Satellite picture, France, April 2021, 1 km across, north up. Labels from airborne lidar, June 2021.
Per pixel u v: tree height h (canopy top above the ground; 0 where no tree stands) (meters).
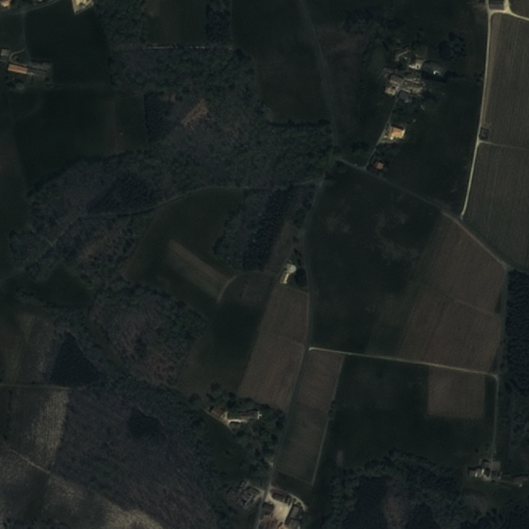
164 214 0
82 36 0
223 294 0
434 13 0
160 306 16
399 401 0
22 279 0
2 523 0
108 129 0
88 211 15
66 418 8
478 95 0
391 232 0
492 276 0
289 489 0
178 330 13
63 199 14
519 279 16
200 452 7
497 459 0
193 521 16
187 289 0
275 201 22
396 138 0
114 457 11
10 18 0
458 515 24
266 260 19
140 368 13
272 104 0
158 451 11
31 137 0
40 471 0
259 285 0
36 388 0
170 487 14
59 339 10
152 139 10
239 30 0
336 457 0
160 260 0
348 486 19
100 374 14
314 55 0
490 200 0
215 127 18
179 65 17
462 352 0
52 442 0
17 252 17
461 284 0
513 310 17
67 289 0
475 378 0
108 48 0
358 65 0
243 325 0
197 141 14
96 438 12
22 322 0
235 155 14
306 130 18
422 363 0
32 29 0
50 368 14
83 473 10
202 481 15
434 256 0
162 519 19
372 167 9
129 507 14
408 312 0
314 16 0
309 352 0
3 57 0
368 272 0
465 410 0
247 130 18
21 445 0
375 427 0
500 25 0
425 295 0
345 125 0
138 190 22
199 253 0
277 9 0
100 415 15
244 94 15
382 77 0
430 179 0
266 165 16
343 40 0
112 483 11
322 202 0
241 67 20
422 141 0
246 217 17
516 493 0
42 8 0
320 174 9
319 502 0
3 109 0
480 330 0
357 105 0
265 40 0
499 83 0
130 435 11
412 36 0
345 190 0
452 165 0
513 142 0
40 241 15
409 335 0
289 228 0
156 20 0
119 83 14
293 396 0
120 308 16
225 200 0
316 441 0
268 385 0
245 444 17
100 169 19
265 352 0
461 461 0
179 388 0
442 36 0
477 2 0
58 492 0
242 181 14
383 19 0
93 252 11
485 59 0
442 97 0
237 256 13
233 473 0
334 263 0
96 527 0
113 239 8
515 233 0
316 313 0
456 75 11
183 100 14
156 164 14
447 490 12
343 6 0
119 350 13
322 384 0
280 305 0
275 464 0
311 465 0
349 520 12
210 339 0
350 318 0
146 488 16
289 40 0
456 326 0
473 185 0
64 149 0
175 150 13
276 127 12
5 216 0
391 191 0
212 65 20
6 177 0
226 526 18
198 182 14
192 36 0
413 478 10
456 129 0
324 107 0
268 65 0
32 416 0
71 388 18
